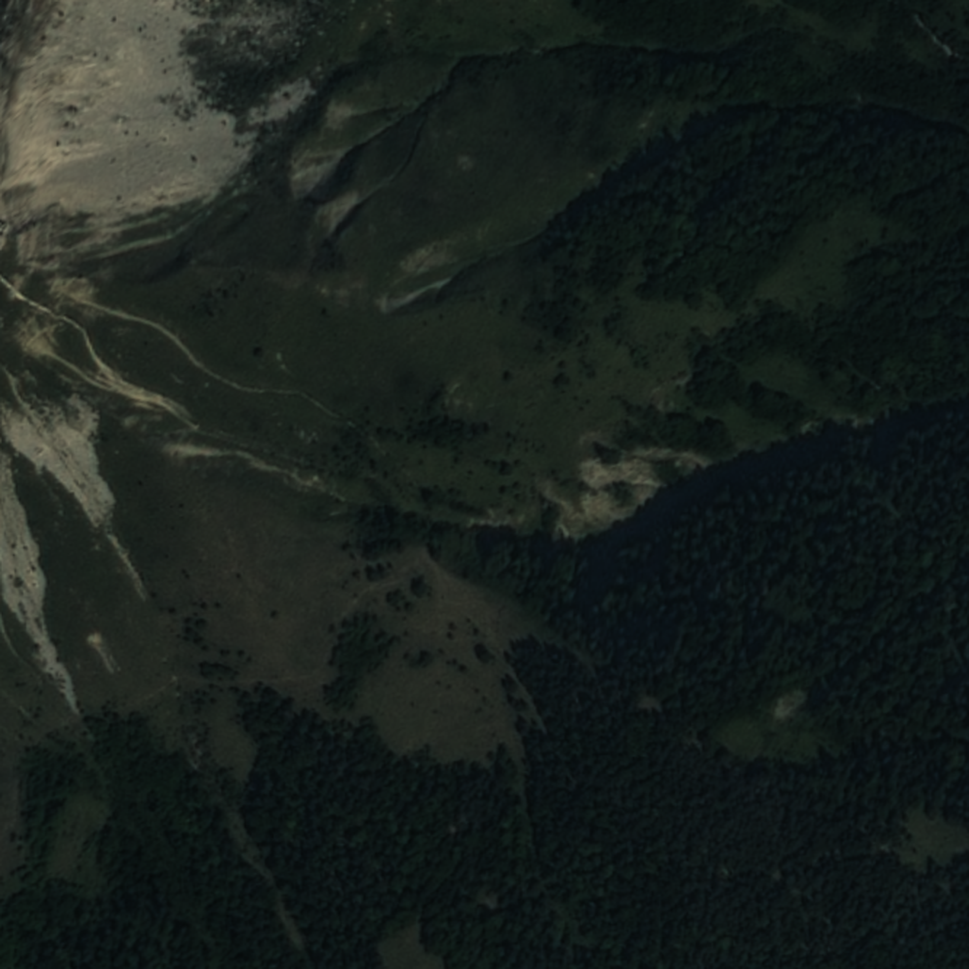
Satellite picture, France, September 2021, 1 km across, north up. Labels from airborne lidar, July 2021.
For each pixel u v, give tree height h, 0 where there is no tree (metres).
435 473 0
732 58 6
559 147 0
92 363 0
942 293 22
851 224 0
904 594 22
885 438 9
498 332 0
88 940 24
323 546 0
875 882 15
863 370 20
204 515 0
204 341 0
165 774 11
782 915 19
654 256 11
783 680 24
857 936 13
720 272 22
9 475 0
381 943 11
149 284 0
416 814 21
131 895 9
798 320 11
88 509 0
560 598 23
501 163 0
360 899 21
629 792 11
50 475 0
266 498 0
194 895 7
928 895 15
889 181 26
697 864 17
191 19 0
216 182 0
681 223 21
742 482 18
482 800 13
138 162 0
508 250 0
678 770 27
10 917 11
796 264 0
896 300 17
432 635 0
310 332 0
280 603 0
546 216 0
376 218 0
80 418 0
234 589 0
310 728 9
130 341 0
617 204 15
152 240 0
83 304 0
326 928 18
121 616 0
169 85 0
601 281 10
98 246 0
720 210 22
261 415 0
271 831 27
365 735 12
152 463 0
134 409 0
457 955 25
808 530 35
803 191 27
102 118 0
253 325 0
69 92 0
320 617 0
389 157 0
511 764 15
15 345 0
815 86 9
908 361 20
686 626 33
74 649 0
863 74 7
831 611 22
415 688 0
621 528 0
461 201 0
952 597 27
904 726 27
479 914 13
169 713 0
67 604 0
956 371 21
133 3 0
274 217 0
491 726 0
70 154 0
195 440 0
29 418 0
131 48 0
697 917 23
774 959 23
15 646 0
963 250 15
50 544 0
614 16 8
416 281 0
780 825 16
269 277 0
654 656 16
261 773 11
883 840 18
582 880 24
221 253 0
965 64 13
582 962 17
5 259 0
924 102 7
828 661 22
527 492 15
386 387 0
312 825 25
